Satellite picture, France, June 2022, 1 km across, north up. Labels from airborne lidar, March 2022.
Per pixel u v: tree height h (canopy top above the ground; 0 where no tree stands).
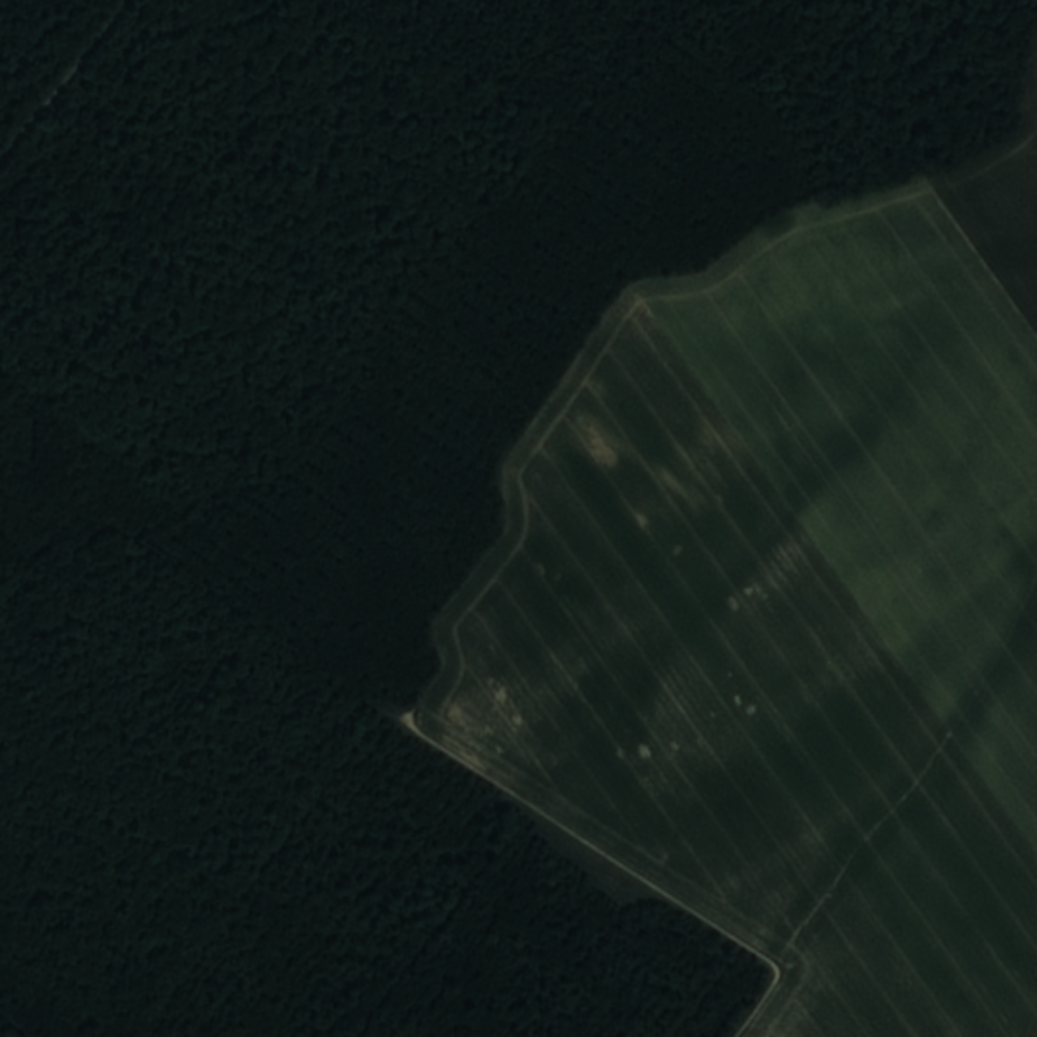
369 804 10
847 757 0
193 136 15
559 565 0
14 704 21
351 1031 11
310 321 20
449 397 16
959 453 0
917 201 0
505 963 10
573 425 0
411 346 11
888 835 0
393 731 10
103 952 20
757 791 0
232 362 20
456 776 8
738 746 0
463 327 11
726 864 0
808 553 0
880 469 0
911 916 0
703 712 0
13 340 22
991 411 0
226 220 12
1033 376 0
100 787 19
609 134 14
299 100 19
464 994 7
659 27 18
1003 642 0
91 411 22
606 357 0
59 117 18
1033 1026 0
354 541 12
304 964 10
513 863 8
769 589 0
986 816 0
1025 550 0
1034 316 0
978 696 0
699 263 12
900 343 0
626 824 0
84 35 17
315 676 15
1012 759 0
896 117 22
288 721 18
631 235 13
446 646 0
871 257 0
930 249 0
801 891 0
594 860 0
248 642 19
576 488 0
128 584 18
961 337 0
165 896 18
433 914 24
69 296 21
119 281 18
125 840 16
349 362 21
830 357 0
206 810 19
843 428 0
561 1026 14
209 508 10
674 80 14
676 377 0
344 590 13
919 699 0
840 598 0
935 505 0
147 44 19
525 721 0
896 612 0
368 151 26
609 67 14
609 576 0
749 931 0
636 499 0
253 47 23
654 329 0
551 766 0
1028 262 0
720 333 0
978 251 0
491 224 14
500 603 0
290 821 15
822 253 0
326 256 24
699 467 0
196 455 20
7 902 20
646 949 13
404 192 26
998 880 0
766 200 12
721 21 15
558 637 0
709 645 0
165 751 16
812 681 0
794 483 0
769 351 0
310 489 22
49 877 21
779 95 18
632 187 13
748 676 0
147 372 23
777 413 0
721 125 14
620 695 0
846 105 23
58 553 20
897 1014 0
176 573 21
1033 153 0
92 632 20
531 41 20
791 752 0
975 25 23
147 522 16
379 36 11
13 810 18
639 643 0
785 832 0
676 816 0
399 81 23
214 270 22
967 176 0
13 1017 16
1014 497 0
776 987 0
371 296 25
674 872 0
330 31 19
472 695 0
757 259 0
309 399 22
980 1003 0
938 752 0
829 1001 0
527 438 0
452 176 23
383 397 14
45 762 21
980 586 0
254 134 21
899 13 20
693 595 0
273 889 16
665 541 0
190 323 21
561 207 15
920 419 0
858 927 0
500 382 11
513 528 0
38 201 9
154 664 17
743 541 0
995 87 21
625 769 0
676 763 0
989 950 0
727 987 10
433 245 20
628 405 0
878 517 0
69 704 18
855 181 18
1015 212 0
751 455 0
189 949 16
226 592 15
